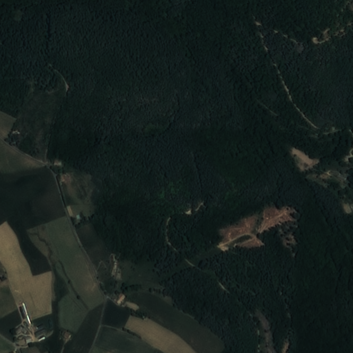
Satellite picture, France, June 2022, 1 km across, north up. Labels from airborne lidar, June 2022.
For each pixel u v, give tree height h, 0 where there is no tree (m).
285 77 13
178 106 10
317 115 9
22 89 12
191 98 25
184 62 22
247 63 14
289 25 18
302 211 17
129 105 15
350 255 8
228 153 20
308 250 18
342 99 18
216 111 17
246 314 14
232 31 14
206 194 24
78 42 23
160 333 0
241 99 22
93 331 0
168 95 16
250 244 0
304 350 25
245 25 15
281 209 33
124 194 9
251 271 31
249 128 21
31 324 0
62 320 0
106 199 11
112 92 11
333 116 18
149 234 18
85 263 0
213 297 24
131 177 18
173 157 30
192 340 0
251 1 20
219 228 32
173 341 0
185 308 17
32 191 0
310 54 19
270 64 7
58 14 15
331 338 22
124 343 0
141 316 8
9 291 0
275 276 15
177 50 26
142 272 0
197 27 17
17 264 0
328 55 18
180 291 17
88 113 19
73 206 0
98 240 0
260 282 8
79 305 0
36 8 23
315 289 24
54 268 0
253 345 13
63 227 0
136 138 22
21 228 0
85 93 18
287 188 25
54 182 0
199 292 20
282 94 7
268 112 20
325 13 13
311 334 29
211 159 23
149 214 23
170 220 9
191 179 21
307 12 20
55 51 22
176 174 29
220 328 16
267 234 24
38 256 0
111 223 9
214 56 17
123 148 19
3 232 0
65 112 15
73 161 16
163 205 13
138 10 22
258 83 15
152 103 14
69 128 18
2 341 0
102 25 22
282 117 13
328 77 16
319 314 29
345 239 21
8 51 21
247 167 18
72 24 24
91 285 0
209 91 32
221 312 19
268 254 19
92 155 25
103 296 0
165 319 0
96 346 0
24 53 21
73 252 0
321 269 21
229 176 18
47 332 0
